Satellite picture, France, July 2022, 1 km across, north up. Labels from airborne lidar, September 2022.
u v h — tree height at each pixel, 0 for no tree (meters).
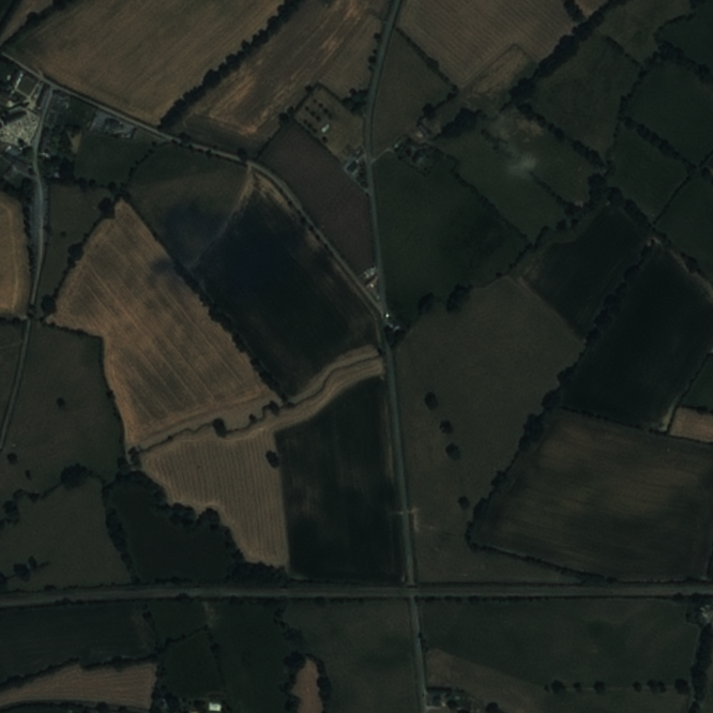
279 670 0
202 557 0
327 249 11
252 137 0
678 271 0
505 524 0
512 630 0
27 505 0
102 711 17
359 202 0
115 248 0
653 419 0
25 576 20
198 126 0
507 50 0
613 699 0
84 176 0
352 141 0
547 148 0
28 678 9
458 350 0
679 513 0
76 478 21
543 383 0
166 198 0
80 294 0
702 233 0
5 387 0
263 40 14
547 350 0
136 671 0
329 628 0
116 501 0
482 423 0
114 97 0
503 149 17
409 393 0
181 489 0
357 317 0
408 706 0
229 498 0
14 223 0
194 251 0
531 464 0
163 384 0
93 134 0
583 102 0
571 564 0
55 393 0
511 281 0
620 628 0
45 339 0
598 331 9
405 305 0
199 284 12
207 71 0
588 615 0
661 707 0
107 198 0
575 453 0
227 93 0
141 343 0
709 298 0
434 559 0
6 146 0
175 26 0
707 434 0
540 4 0
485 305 0
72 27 0
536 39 0
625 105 8
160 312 0
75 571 0
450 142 0
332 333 0
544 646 0
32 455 0
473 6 0
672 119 0
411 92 0
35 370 0
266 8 0
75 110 0
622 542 0
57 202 0
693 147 0
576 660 0
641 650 0
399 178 0
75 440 0
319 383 0
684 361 0
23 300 0
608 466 0
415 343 0
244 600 6
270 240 0
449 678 0
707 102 0
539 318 0
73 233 0
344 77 0
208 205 0
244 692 0
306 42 0
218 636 0
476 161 0
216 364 0
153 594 0
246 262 0
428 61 7
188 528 20
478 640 0
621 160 0
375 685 0
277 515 0
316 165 0
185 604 16
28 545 0
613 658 0
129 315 0
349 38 0
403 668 0
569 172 0
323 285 0
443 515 0
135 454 18
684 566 0
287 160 0
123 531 19
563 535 0
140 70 0
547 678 0
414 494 0
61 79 0
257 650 0
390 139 0
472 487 0
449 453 13
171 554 0
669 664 0
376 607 0
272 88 0
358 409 0
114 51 0
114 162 0
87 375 0
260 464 0
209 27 0
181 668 0
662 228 0
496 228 0
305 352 0
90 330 0
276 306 0
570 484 0
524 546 0
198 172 0
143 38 0
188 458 0
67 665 6
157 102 0
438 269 0
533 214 0
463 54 0
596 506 0
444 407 0
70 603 14
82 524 0
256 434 0
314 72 0
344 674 0
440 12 0
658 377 0
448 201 0
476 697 0
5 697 0
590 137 0
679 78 0
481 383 0
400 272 0
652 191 0
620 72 0
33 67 0
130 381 0
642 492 0
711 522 0
